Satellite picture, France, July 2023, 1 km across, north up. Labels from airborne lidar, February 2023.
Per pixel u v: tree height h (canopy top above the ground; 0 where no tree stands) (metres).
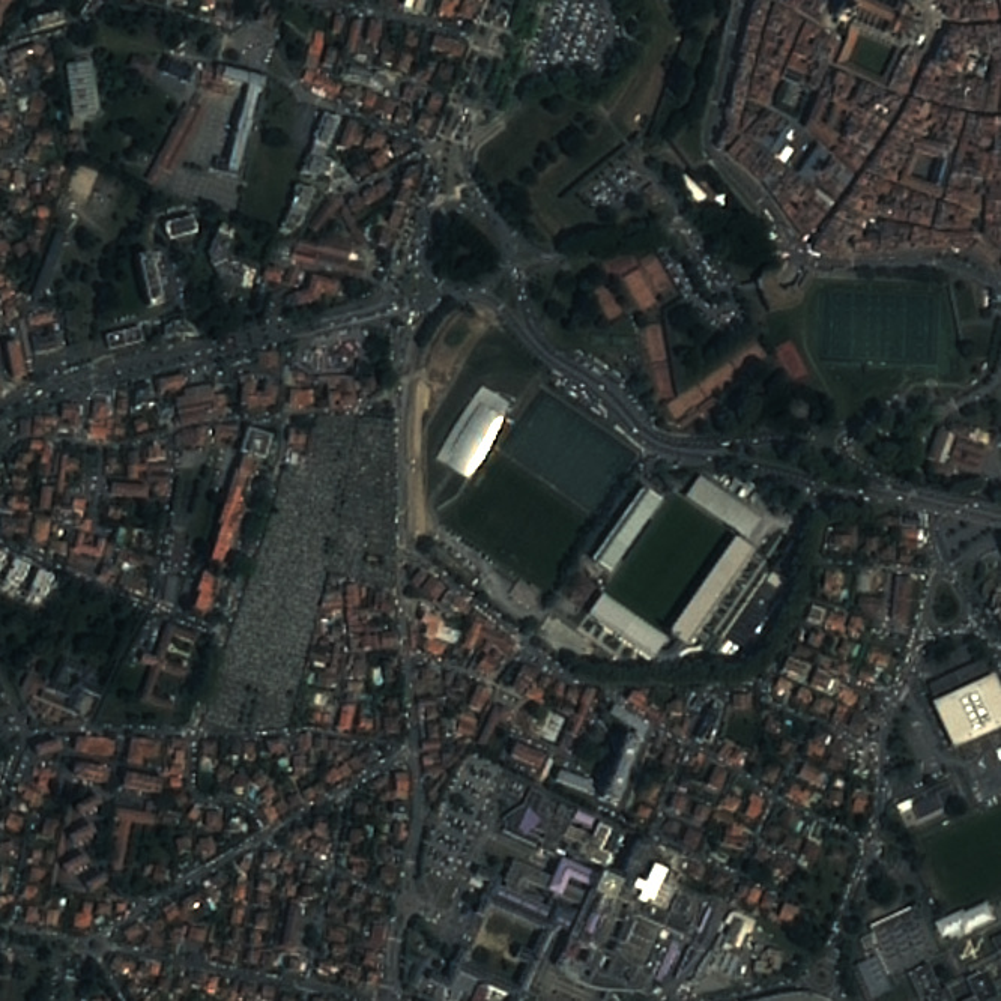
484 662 0
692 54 0
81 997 14
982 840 0
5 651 11
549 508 0
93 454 17
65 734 0
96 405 0
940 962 0
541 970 0
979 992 0
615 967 0
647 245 20
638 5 24
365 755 0
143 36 0
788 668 0
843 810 7
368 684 7
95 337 8
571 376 0
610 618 0
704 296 17
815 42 0
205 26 8
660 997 0
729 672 28
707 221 18
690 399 0
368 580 0
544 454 0
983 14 0
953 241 0
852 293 0
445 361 0
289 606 0
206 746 0
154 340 8
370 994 0
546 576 0
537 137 0
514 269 0
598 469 0
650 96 0
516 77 13
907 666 0
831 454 12
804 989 0
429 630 14
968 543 7
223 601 12
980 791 0
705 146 0
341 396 0
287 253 0
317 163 0
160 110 0
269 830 0
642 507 0
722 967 0
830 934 20
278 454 0
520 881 0
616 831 0
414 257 0
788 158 0
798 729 9
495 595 0
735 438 13
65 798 12
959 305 0
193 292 15
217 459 0
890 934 0
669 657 7
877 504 0
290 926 0
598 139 0
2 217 7
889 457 37
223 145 0
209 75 0
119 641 16
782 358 0
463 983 0
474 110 0
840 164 0
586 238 21
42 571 0
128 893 10
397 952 0
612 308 0
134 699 13
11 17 15
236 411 9
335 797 0
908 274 8
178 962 0
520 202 24
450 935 0
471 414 0
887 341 0
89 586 9
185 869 0
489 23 0
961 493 23
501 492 0
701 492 0
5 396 0
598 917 0
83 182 0
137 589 0
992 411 8
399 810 0
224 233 0
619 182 0
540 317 0
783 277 0
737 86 0
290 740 0
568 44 0
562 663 17
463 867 0
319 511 0
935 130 0
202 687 26
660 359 0
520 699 10
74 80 0
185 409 0
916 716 0
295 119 0
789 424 9
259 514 20
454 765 7
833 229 0
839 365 0
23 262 8
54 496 8
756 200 0
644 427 0
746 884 9
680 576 0
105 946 0
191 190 0
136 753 0
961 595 0
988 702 0
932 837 0
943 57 0
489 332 0
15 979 5
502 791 0
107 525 10
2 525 0
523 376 0
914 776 8
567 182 0
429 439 0
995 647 0
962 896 0
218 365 9
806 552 26
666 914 0
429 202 0
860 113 0
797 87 0
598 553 0
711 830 8
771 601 0
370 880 10
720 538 0
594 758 13
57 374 0
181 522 0
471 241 18
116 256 10
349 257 0
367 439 0
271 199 0
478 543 0
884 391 0
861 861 0
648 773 27
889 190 0
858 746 0
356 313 0
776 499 17
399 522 0
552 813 0
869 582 0
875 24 0
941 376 0
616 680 28
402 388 0
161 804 18
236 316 14
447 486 0
